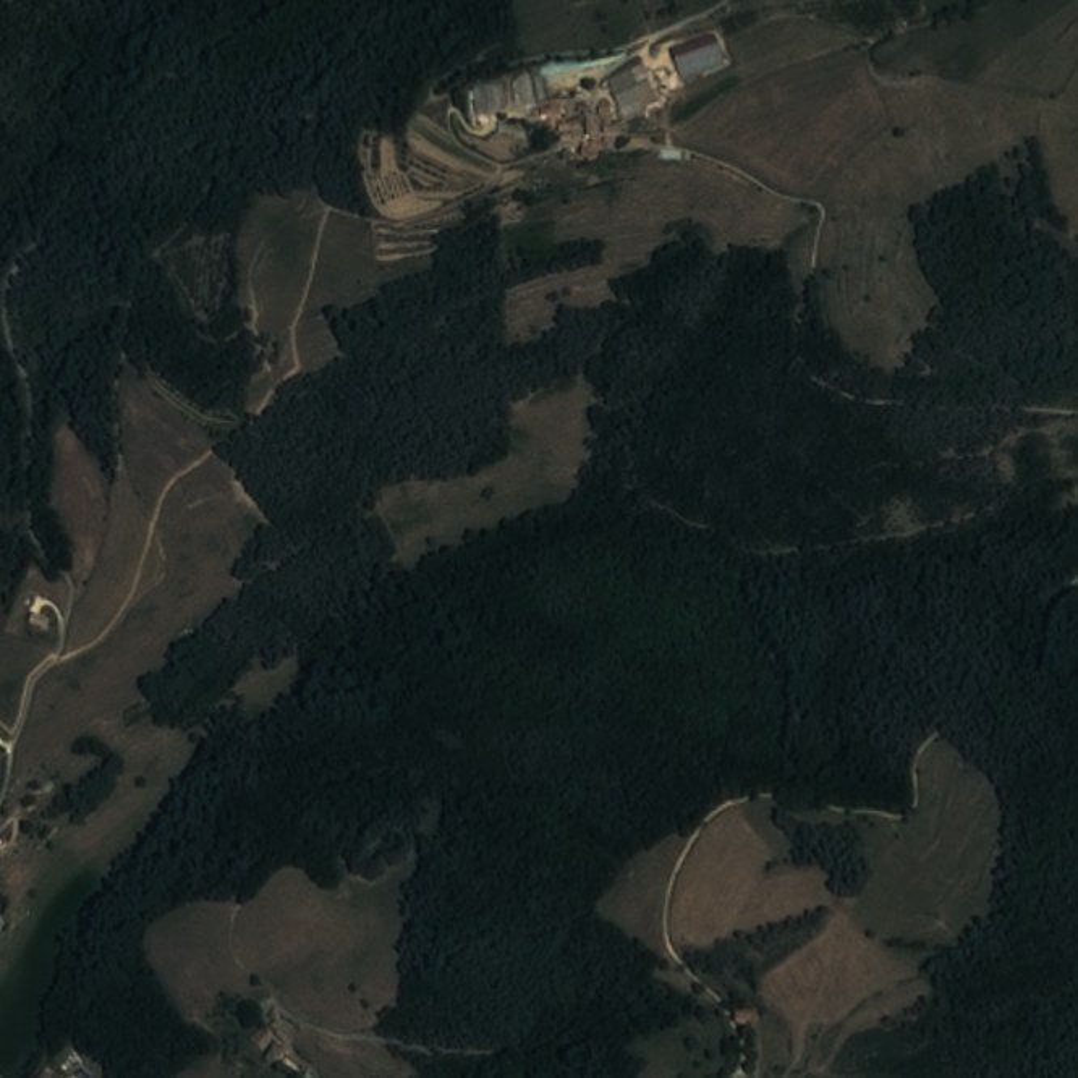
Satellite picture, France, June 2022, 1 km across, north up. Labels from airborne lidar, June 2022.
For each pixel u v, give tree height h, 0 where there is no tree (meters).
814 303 11
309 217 0
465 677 12
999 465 12
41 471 12
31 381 12
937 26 9
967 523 13
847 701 16
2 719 0
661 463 8
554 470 0
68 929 16
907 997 0
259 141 14
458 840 20
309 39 11
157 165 12
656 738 13
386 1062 0
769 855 0
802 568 13
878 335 0
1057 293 19
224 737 20
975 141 0
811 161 0
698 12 0
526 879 9
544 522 25
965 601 11
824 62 0
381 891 0
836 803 9
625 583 13
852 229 0
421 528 0
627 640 12
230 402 16
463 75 12
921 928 0
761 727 11
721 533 12
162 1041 11
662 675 12
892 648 12
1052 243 8
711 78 0
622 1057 17
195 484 0
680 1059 0
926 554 22
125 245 24
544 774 6
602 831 12
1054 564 6
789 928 7
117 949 30
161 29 32
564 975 24
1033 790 14
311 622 19
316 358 0
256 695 0
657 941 0
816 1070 0
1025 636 16
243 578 18
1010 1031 17
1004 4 0
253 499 10
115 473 16
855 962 0
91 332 8
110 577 0
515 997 26
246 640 21
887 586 20
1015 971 13
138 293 14
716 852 0
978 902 0
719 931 0
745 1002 8
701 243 12
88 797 22
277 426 12
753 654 13
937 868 0
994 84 0
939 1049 9
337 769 17
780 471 9
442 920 11
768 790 12
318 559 22
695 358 17
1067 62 0
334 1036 0
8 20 15
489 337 19
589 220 0
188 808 33
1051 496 11
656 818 11
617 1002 6
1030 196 12
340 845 13
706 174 0
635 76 0
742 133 0
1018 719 18
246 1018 14
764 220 0
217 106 10
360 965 0
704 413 9
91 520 0
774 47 0
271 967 0
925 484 10
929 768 0
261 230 0
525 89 0
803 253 0
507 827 17
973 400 19
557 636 15
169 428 0
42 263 14
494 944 25
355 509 16
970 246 12
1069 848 21
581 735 9
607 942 13
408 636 17
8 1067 0
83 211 17
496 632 15
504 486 0
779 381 9
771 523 10
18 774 0
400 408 20
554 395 0
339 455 20
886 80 0
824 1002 0
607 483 11
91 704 0
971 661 16
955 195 10
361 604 27
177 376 9
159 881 31
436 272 14
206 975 0
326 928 0
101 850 0
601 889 12
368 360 20
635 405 14
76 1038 16
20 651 0
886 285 0
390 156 0
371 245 0
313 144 23
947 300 11
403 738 14
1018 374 24
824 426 8
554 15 0
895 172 0
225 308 6
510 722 11
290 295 0
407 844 17
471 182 0
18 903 0
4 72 19
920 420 16
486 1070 23
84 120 17
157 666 0
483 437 16
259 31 13
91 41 19
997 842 0
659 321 9
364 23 16
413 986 12
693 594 12
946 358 14
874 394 9
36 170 21
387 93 6
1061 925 18
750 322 13
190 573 0
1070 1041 25
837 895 15
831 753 10
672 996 12
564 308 17
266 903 0
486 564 22
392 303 8
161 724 16
